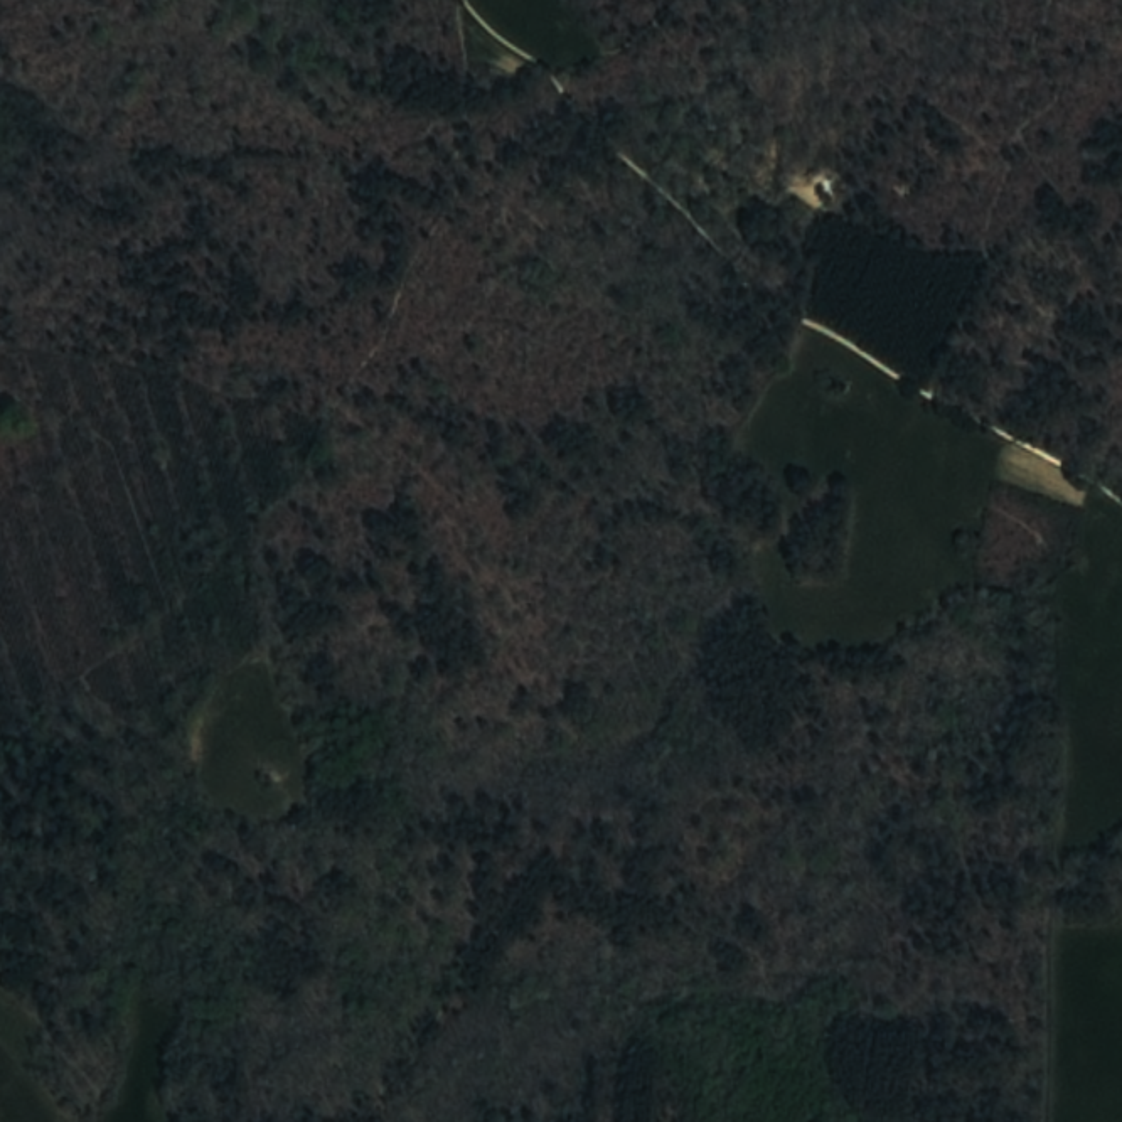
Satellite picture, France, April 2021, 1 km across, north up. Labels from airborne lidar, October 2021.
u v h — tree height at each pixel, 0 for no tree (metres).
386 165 14
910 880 12
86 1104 18
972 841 8
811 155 21
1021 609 25
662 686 21
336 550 10
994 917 20
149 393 5
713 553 21
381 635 14
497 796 7
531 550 7
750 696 25
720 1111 19
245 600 6
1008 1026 15
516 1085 16
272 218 8
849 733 15
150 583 6
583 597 11
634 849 12
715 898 7
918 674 16
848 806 18
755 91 15
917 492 0
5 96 16
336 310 13
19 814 26
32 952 16
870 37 17
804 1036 25
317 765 22
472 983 19
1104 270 16
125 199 16
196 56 7
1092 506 0
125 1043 18
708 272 23
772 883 11
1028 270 10
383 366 5
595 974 19
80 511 8
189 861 21
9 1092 0
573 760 17
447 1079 17
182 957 24
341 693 12
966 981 9
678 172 16
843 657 21
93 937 28
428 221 10
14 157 15
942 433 0
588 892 16
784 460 0
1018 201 6
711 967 15
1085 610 0
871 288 13
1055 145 15
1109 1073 0
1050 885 15
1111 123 7
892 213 7
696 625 23
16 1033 0
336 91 11
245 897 18
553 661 10
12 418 30
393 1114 11
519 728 18
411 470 7
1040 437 15
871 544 0
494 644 21
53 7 8
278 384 8
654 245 18
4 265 16
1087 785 0
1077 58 15
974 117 6
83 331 13
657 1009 13
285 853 12
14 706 14
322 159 6
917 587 0
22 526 8
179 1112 13
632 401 11
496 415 12
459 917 12
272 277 13
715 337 27
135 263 14
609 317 10
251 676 0
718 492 25
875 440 0
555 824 13
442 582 24
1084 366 15
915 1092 16
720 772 15
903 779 13
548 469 19
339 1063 24
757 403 18
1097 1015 0
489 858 10
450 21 8
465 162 7
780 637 0
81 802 25
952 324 12
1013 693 15
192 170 15
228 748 0
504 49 0
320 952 18
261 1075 7
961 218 6
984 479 0
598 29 10
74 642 6
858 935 10
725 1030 22
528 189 7
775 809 16
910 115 6
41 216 14
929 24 6
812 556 24
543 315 13
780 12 8
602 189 28
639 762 19
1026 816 17
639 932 25
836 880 14
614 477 13
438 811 16
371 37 12
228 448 9
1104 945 0
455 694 10
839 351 0
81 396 8
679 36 16
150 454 8
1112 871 25
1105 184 17
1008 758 21
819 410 0
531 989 26
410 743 18
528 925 17
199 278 8
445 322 12
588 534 9
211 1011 25
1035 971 16
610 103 9
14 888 25
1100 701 0
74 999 18
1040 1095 12
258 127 12
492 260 13
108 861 23
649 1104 20
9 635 7
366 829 24
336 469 15
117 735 20
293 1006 24
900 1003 12
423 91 20
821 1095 25
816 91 11
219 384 17
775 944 8
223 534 9
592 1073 12
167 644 9
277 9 11
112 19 9
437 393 14
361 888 16
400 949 12
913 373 12
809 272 11
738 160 15
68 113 9
